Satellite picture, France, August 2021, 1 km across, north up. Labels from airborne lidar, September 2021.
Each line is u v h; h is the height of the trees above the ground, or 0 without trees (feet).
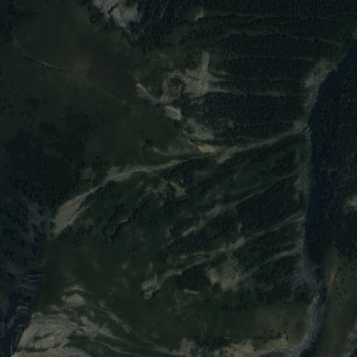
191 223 29
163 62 0
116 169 0
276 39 80
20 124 0
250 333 0
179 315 0
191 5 34
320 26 85
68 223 0
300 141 23
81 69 0
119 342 0
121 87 0
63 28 0
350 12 73
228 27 27
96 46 0
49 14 0
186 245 20
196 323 0
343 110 107
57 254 0
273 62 89
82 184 67
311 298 0
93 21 21
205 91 0
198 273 59
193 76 0
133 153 0
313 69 30
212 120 42
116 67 0
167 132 0
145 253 0
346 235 55
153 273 0
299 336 0
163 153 0
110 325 0
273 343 0
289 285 47
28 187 49
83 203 27
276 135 38
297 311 0
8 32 23
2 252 0
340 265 0
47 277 0
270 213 55
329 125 61
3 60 0
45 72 0
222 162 0
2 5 0
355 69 81
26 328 0
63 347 0
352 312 0
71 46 0
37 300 0
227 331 0
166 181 26
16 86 0
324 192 36
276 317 0
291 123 85
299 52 99
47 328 0
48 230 0
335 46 48
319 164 24
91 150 0
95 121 0
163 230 0
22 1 0
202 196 38
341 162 80
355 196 35
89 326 0
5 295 0
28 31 0
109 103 0
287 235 57
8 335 0
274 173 40
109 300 0
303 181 0
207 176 0
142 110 0
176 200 21
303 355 0
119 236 29
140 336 0
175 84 31
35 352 0
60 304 0
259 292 43
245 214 55
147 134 0
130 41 35
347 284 0
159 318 0
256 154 34
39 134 0
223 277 0
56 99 0
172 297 0
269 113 84
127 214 41
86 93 0
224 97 73
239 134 61
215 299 0
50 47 0
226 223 32
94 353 0
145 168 0
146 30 27
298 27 52
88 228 0
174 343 0
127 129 0
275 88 71
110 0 0
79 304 0
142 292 26
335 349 0
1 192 0
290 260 34
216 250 0
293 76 76
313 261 27
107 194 29
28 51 0
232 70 45
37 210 0
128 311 0
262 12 73
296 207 41
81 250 0
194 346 0
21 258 0
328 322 0
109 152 0
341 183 30
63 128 0
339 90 39
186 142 0
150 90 0
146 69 0
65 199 41
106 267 0
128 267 0
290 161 47
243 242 0
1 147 0
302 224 0
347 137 89
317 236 54
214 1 71
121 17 0
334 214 66
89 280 0
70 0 0
